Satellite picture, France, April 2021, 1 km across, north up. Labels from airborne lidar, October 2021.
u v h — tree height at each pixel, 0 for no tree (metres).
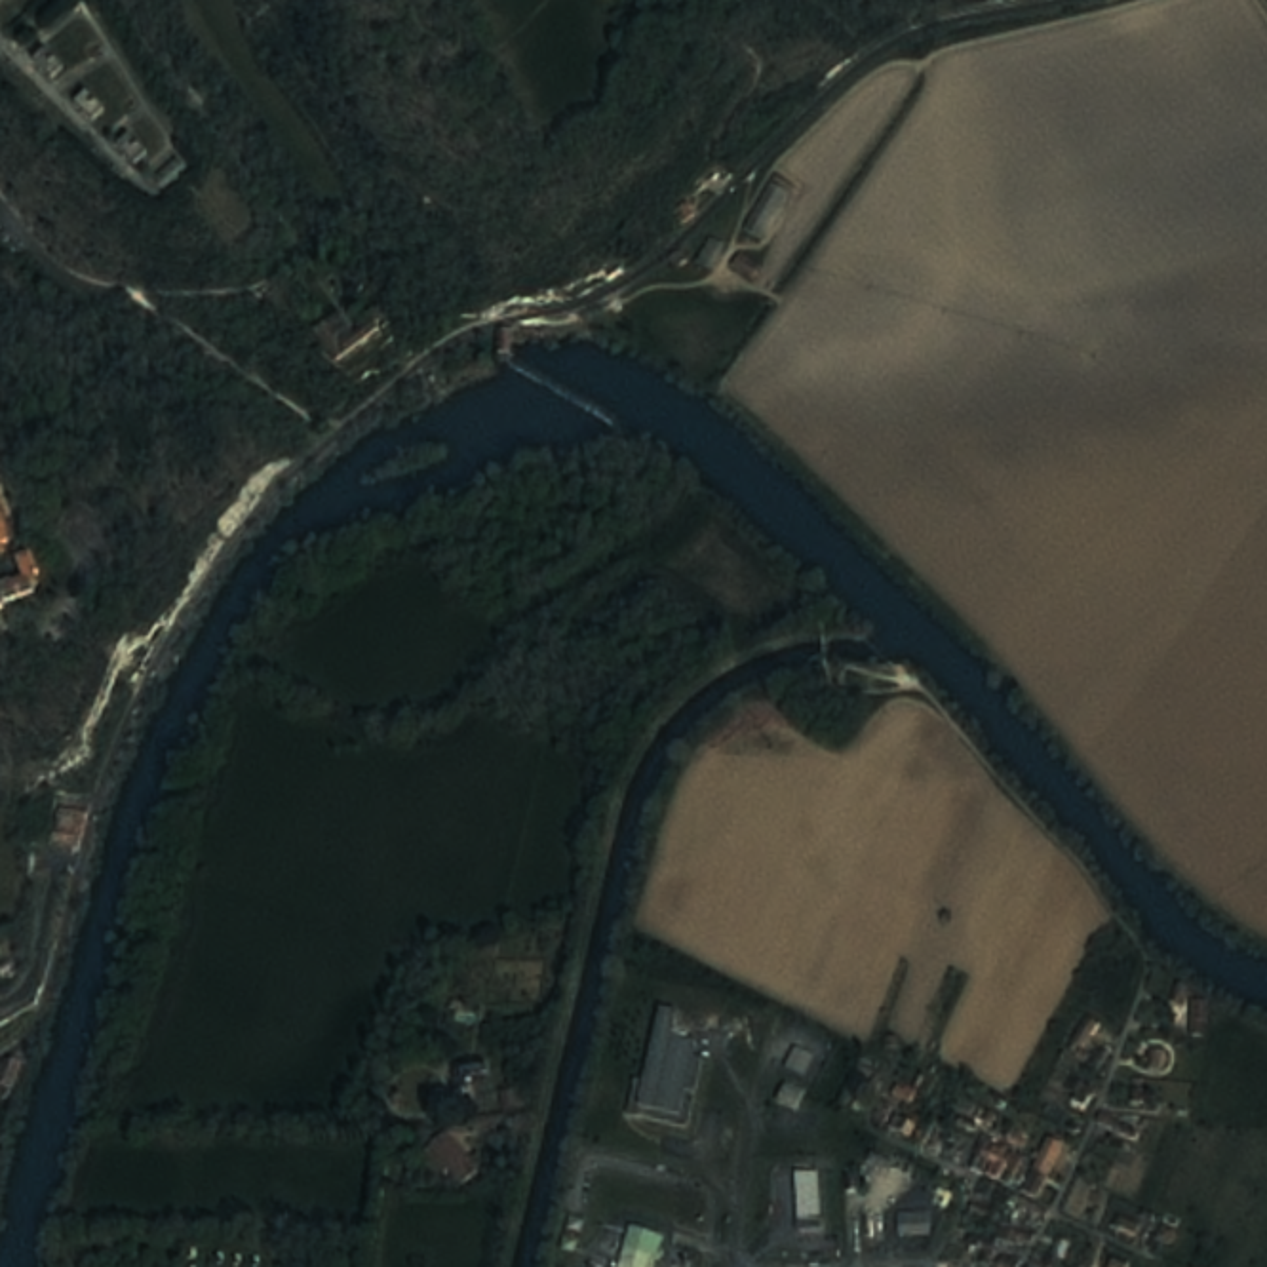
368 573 12
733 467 0
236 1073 0
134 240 7
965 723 16
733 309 0
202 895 0
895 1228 0
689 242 0
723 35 14
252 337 22
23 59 0
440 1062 15
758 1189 0
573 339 7
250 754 0
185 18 13
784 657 0
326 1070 0
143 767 0
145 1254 11
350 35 18
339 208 17
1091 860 9
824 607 20
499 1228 22
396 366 32
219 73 18
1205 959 0
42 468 20
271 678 25
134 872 26
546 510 20
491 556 27
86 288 0
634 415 0
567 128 17
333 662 0
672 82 15
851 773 0
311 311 19
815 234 0
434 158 17
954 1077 7
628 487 31
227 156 13
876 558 0
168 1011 0
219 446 16
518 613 11
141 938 18
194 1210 0
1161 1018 10
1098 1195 7
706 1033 0
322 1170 0
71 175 11
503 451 0
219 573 10
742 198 0
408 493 0
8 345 24
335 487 0
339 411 23
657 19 17
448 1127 26
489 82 25
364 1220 12
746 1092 0
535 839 0
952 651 0
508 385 0
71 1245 17
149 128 0
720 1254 0
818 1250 0
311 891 0
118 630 20
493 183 19
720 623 7
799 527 0
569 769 0
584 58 0
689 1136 0
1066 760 7
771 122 15
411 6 15
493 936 11
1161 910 0
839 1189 0
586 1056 16
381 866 0
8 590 0
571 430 0
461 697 15
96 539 0
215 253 11
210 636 0
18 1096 16
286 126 0
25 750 16
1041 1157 0
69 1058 0
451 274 18
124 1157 0
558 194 17
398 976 21
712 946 0
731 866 0
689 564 0
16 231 0
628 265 9
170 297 17
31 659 23
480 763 0
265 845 0
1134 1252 0
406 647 0
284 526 0
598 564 8
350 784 0
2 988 11
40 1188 0
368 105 18
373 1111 14
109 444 20
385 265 21
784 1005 0
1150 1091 8
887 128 0
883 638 0
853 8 17
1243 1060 0
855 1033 0
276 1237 27
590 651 33
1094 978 7
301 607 25
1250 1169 0
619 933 18
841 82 0
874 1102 29
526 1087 14
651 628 30
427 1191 10
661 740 0
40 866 0
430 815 0
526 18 0
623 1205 0
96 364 19
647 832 13
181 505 13
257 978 0
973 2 9
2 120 12
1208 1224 0
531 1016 7
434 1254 0
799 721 25
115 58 0
